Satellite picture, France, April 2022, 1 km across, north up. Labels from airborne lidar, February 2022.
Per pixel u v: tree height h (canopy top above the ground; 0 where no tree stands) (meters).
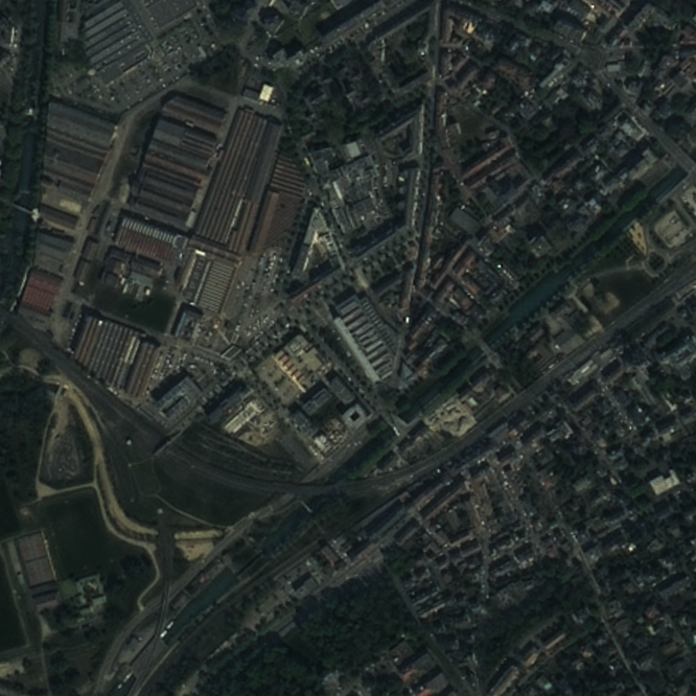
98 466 0
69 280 0
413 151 0
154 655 0
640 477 7
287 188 0
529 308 0
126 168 0
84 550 0
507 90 10
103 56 0
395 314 0
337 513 15
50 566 0
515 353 17
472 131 0
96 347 0
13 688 13
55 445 0
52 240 0
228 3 19
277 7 0
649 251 0
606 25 0
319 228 0
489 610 19
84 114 0
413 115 0
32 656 0
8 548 0
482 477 0
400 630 23
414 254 0
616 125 0
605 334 0
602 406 0
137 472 0
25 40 13
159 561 0
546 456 0
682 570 10
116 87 0
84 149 0
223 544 0
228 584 0
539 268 24
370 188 0
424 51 0
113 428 0
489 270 0
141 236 0
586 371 0
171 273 0
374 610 28
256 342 0
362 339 0
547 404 7
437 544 0
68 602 0
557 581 22
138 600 0
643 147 0
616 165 7
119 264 0
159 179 0
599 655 16
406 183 0
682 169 0
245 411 0
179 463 0
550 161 12
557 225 27
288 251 0
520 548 0
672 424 0
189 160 0
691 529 10
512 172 0
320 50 0
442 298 0
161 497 0
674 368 0
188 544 0
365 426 0
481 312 0
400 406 16
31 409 14
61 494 0
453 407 0
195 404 0
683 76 0
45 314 0
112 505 0
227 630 0
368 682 20
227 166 0
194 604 0
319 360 0
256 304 0
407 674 0
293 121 13
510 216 0
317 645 22
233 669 21
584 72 0
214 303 0
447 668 0
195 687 0
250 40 0
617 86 0
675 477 0
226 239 0
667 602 13
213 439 0
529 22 12
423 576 0
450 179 11
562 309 0
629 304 0
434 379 0
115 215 0
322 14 0
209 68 14
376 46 0
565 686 0
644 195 18
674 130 16
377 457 15
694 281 0
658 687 18
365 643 28
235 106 0
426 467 0
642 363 0
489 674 15
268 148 0
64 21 0
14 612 0
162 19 0
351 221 0
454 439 9
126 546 0
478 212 11
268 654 22
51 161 0
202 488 0
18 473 7
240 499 0
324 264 0
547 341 8
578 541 0
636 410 0
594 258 16
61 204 0
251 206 0
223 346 0
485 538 0
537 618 25
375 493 0
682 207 0
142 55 0
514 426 0
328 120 19
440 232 0
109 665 0
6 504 0
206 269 0
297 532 14
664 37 16
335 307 0
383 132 0
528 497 0
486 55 10
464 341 0
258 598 13
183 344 0
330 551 0
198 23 0
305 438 0
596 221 0
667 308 13
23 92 14
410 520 0
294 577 0
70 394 0
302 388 0
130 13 0
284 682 26
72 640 14
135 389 0
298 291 0
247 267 0
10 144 13
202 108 0
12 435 6
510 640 21
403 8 0
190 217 0
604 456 0
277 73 12
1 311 0
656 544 0
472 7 0
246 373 0
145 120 0
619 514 0
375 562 0
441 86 0
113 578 0
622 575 14
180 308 0
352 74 0
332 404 0
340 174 0
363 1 0
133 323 0
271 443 0
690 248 0
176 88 0
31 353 0
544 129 22
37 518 0
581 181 0
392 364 0
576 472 16
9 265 8
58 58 13
